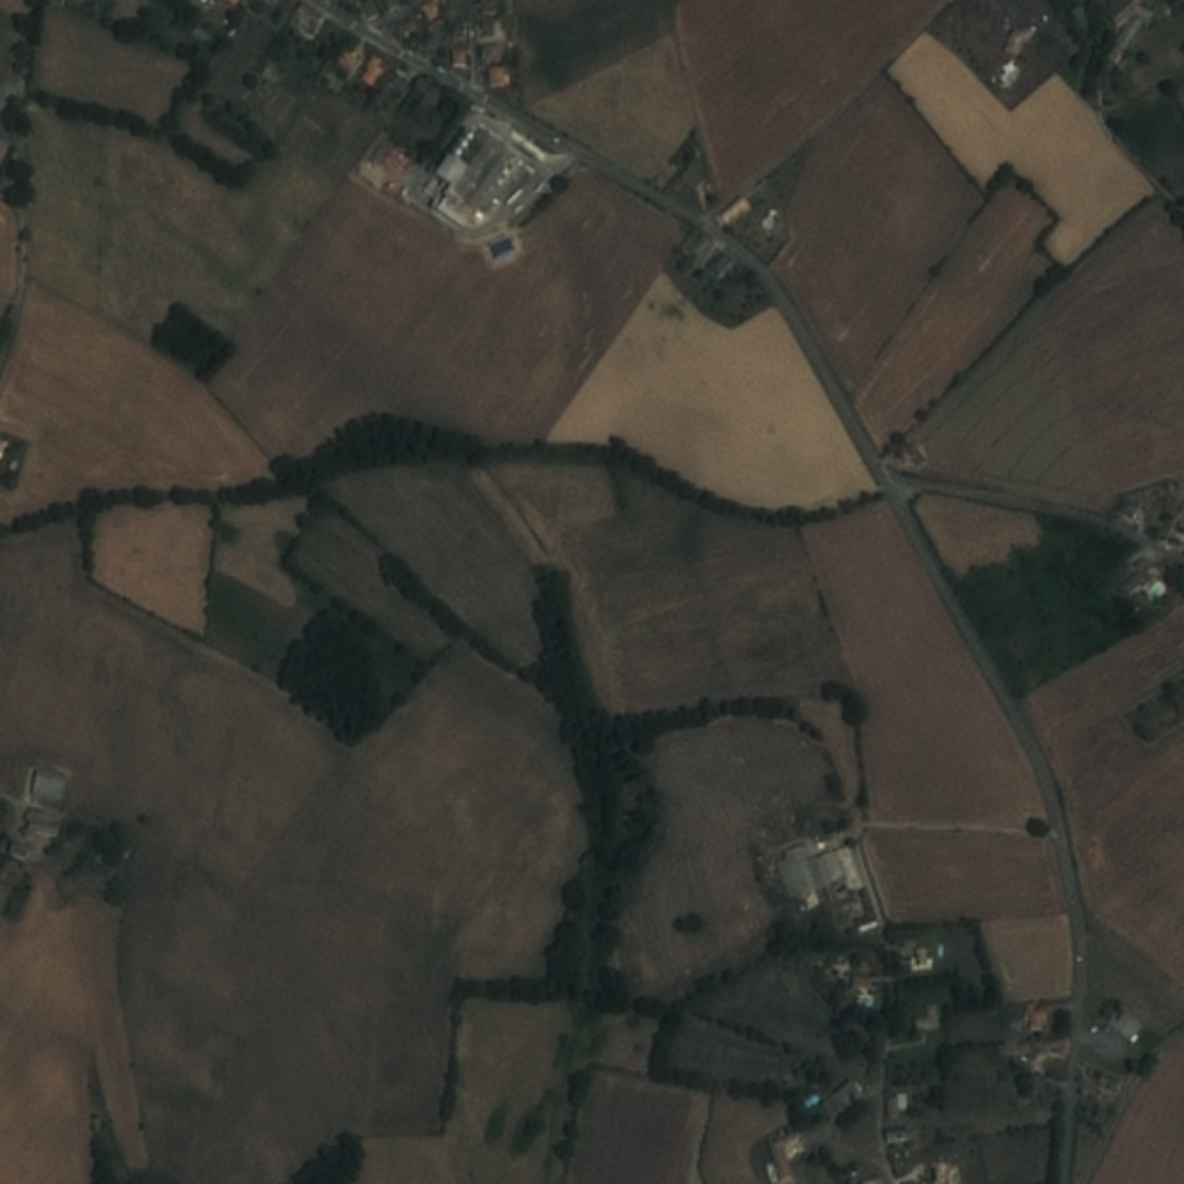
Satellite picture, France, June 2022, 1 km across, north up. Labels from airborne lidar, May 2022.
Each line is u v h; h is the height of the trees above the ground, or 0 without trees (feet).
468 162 0
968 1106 0
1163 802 0
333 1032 0
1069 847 0
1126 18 0
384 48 0
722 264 0
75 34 0
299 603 0
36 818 0
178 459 0
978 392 0
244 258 0
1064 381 0
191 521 0
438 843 0
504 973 0
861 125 0
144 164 0
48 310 0
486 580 0
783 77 0
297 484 51
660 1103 0
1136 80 0
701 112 0
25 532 43
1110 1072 0
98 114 50
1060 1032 23
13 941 0
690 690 0
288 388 0
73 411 0
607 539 0
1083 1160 0
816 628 0
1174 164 0
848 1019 38
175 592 0
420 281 0
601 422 0
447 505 0
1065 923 0
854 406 0
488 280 0
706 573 0
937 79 0
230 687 0
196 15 33
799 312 0
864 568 0
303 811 0
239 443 0
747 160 0
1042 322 0
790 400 0
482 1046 0
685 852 0
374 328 0
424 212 0
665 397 0
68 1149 0
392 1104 0
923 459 0
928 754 0
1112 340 0
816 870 0
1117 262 0
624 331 0
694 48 0
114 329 0
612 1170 0
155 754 0
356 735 60
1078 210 0
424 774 0
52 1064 0
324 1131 0
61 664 0
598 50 0
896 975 30
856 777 0
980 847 0
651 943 0
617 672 0
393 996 0
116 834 30
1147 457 0
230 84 0
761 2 0
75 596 0
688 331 0
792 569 0
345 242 0
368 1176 0
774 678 0
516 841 0
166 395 0
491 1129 0
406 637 0
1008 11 0
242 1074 0
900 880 0
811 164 0
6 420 0
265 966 0
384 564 38
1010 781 0
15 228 0
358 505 0
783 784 0
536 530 0
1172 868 0
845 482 0
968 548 0
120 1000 0
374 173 0
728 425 0
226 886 0
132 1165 0
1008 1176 0
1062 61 0
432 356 0
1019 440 0
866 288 0
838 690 51
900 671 0
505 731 0
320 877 0
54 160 0
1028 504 0
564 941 47
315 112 0
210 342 30
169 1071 0
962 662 0
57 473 0
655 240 0
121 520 0
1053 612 0
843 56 0
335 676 58
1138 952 0
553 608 56
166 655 0
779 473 0
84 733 0
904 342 0
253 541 0
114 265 0
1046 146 0
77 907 0
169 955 0
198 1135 0
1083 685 0
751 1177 0
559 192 52
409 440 57
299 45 43
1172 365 0
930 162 0
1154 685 0
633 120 0
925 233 0
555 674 56
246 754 0
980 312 0
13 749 0
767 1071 0
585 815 46
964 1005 33
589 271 0
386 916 0
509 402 0
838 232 0
